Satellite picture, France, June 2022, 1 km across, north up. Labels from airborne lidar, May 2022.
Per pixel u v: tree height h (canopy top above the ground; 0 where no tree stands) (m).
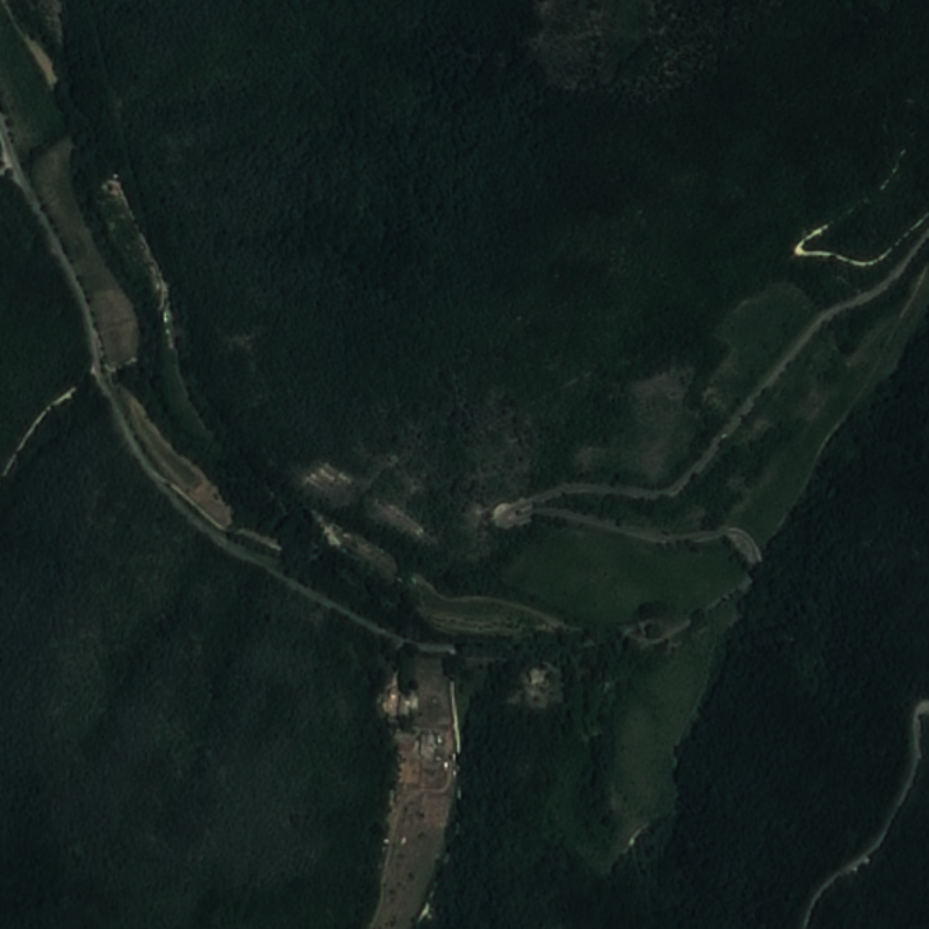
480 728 7
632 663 13
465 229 11
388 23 10
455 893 8
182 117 10
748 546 0
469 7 10
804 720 11
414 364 8
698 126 14
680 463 7
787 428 11
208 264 6
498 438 6
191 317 8
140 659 12
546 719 9
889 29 15
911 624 5
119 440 9
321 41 8
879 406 12
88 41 11
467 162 10
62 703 6
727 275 7
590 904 14
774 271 10
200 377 10
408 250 14
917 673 6
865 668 12
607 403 10
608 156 9
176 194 7
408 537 9
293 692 8
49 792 7
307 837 8
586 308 10
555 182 9
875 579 8
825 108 14
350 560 10
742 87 16
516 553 12
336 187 8
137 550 7
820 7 11
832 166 10
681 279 11
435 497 7
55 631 5
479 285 10
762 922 11
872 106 14
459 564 7
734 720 11
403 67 11
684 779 17
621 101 12
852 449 12
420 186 14
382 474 6
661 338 10
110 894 7
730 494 6
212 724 10
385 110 13
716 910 9
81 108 16
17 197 9
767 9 12
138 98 6
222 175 7
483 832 12
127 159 8
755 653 12
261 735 8
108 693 8
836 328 12
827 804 8
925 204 10
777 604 9
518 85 16
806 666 6
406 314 13
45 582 8
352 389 7
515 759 7
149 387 10
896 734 11
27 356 8
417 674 0
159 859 6
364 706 8
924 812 9
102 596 5
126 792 6
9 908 11
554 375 6
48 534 8
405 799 0
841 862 11
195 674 9
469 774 11
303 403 9
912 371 17
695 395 9
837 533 11
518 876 9
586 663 17
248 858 6
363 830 11
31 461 12
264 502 15
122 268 9
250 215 8
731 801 6
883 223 6
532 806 9
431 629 7
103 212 7
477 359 9
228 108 10
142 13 12
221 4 9
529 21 12
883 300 10
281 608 7
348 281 11
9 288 8
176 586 6
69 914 7
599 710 12
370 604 9
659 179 9
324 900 8
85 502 7
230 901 12
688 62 15
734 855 6
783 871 10
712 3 11
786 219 10
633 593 0
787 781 8
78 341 9
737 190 7
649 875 17
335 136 12
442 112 12
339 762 9
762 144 12
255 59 14
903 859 9
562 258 7
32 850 9
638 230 8
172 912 6
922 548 9
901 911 9
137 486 6
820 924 10
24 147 0
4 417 7
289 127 7
